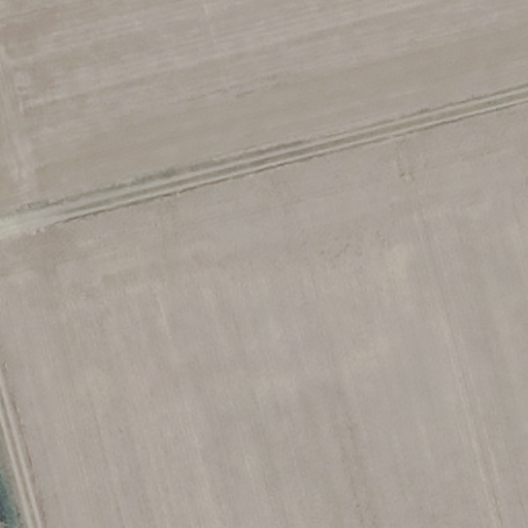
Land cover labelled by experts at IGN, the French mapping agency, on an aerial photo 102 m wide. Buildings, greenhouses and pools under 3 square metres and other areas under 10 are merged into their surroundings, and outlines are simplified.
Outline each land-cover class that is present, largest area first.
<instances>
[{"label":"agricultural land","instance_id":"1","mask_svg":"<svg viewBox=\"0 0 528 528\"><path fill-rule=\"evenodd\" d=\"M524 78H528V0H0V219L29 212L27 204L41 200L43 192H64L80 184L101 186L107 184L109 177H130L140 169L161 165L163 169H169L171 163H182L212 151L233 153L241 149H252L256 144L272 142L287 136L309 134L322 130L324 126H340L347 122H355L359 116L369 118L390 113L396 109L417 107L427 101L443 103L446 97L462 95L472 89H491L509 83H522ZM200 206H192L182 196L165 204H138L134 208L109 215L105 219L101 215L95 219L78 221L72 229H54V225H50L43 233L23 235L12 241L0 239V334L6 338L10 357L23 361V375H17V398L19 408L23 413V423L27 427L33 464L37 468V483H33V491H43L47 520L56 528H528V107L497 113L495 118L479 122H468V118H460L456 124H446L441 128L427 126L421 128V136L417 138L396 140L394 144L357 151L344 157H320L311 163H301L297 169L289 171L272 173L268 169V173H258L254 175V179H248L245 175H241V179L233 177V184H221L204 192H192Z\"/></svg>","mask_w":528,"mask_h":528},{"label":"pervious surface","instance_id":"2","mask_svg":"<svg viewBox=\"0 0 528 528\"><path fill-rule=\"evenodd\" d=\"M528 107V78H524L522 83H509L491 89H472L462 95L446 97L443 103L427 101L417 107L396 109L390 113L369 118L359 116L355 122H347L340 126H324L322 130L309 134L287 136L272 142L256 144L252 149H241L233 153L212 151L182 163H171L169 169H163L161 165L140 169L130 177H109L107 184L101 186L80 184L64 192H43L41 200L27 204L29 212L0 219V239L12 241L23 235L43 233L50 225H54V229H72L78 221L95 219L101 215L105 219L109 215L134 208L138 204H165L182 196L192 206H200L192 192H204L221 184H233V177L241 179V175H245L248 179H254V175L258 173H268V169L272 173L289 171L297 169L301 163H311L320 157H344L357 151L394 144L396 140L417 138L421 136V128L427 126L441 128L446 124H456L460 118H468V122H479L495 118L497 113ZM17 375H23V361L10 357L6 338L0 334V429L8 454V466L14 479L12 497V501H17L21 507L23 524L27 528H56L47 520L43 491H33V483H37V468L33 464L27 427L23 423V413L19 408L17 398Z\"/></svg>","mask_w":528,"mask_h":528},{"label":"brushwood","instance_id":"3","mask_svg":"<svg viewBox=\"0 0 528 528\"><path fill-rule=\"evenodd\" d=\"M0 528H27L23 524L21 507L17 501H12V497L8 495L4 479L0 474Z\"/></svg>","mask_w":528,"mask_h":528},{"label":"herbaceous vegetation","instance_id":"4","mask_svg":"<svg viewBox=\"0 0 528 528\"><path fill-rule=\"evenodd\" d=\"M0 474L4 479L8 495L12 497L14 479L8 466V454L0 429Z\"/></svg>","mask_w":528,"mask_h":528}]
</instances>
